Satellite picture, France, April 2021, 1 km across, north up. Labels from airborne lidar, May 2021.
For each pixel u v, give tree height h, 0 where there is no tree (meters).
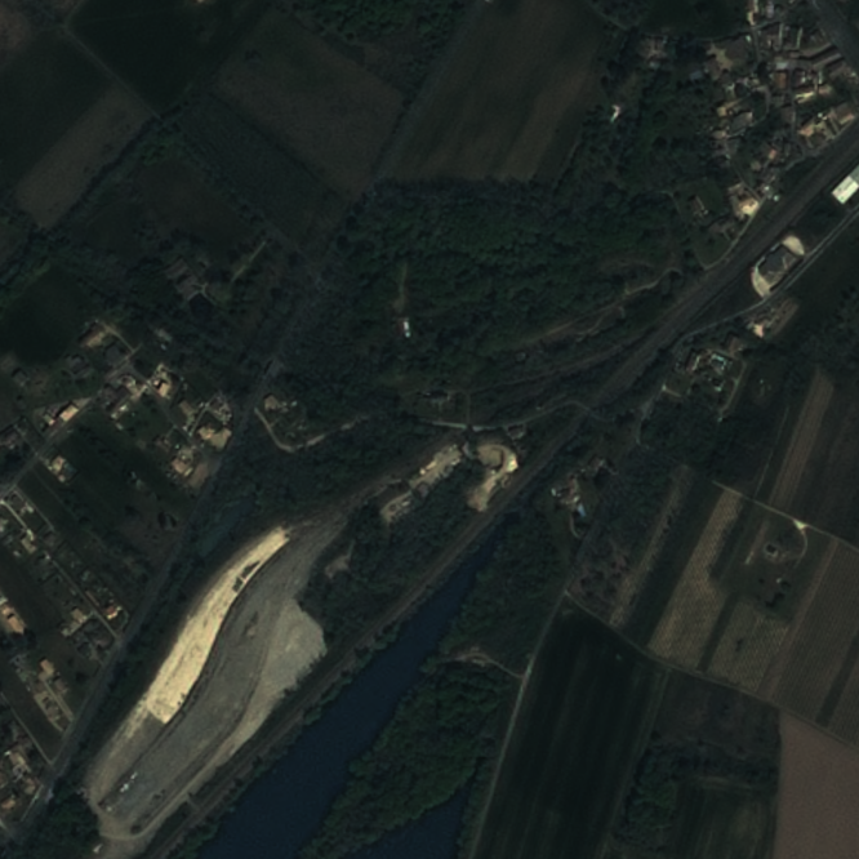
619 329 11
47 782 0
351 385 19
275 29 0
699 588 0
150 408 15
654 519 15
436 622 0
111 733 0
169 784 0
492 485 0
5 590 0
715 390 12
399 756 12
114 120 0
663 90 11
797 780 0
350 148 0
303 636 0
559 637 0
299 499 18
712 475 6
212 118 14
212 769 0
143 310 6
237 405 18
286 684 0
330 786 0
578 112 0
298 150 0
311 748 0
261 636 0
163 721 0
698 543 0
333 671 0
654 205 21
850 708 0
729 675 0
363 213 16
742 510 10
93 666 0
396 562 21
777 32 0
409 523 12
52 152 0
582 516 7
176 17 0
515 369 8
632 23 11
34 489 0
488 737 16
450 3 7
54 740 0
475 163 0
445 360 12
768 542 0
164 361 8
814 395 0
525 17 0
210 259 6
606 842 0
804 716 0
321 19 10
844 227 0
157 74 0
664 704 0
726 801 0
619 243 18
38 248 17
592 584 13
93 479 0
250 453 15
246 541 0
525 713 0
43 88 0
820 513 0
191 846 17
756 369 0
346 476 18
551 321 24
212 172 12
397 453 18
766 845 0
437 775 21
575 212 18
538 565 13
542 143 0
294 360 16
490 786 10
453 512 13
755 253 0
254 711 0
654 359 0
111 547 9
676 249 0
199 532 15
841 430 0
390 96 0
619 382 0
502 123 0
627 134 16
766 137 10
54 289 0
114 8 0
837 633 0
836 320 8
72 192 0
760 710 0
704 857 0
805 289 0
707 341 7
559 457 8
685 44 11
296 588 0
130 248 0
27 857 6
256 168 15
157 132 15
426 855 0
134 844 0
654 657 0
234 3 0
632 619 13
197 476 0
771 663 0
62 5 0
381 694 0
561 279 22
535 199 10
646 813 21
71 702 0
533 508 11
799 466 0
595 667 0
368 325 18
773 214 0
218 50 0
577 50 0
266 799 0
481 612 16
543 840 0
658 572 13
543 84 0
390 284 21
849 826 0
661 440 10
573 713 0
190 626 0
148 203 0
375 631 0
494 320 21
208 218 0
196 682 0
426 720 14
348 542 0
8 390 0
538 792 0
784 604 11
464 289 22
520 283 21
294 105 0
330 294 10
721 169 8
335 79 0
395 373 21
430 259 17
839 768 0
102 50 0
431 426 9
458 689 20
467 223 17
